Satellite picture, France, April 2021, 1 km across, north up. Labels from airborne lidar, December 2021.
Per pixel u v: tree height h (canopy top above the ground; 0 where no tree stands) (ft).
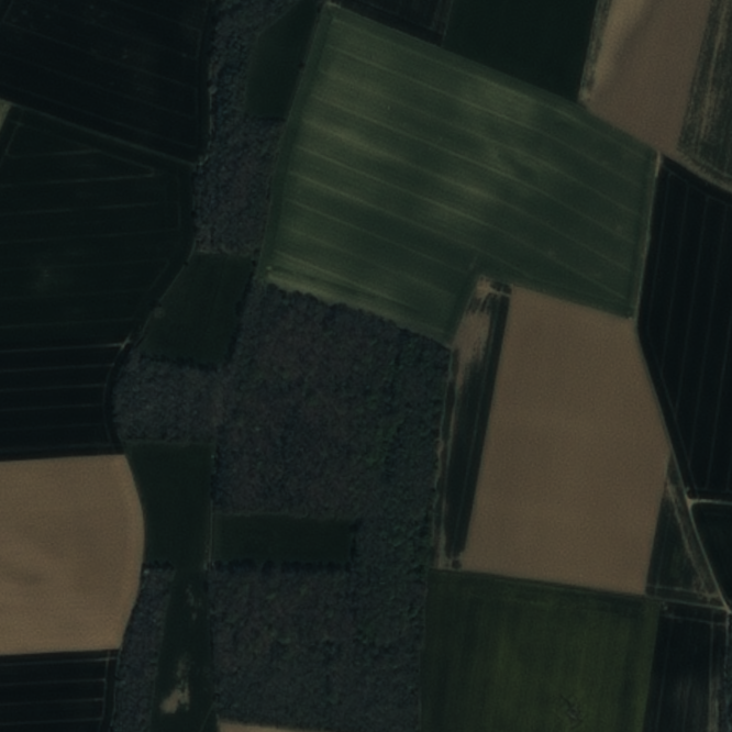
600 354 0
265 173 58
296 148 0
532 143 0
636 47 0
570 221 0
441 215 0
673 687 0
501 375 0
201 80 0
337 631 81
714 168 0
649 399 0
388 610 72
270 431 68
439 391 69
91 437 0
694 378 0
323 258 0
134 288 0
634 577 0
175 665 0
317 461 57
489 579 0
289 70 0
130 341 0
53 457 0
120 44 0
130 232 0
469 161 0
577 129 0
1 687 0
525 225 0
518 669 0
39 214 0
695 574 0
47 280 0
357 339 77
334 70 0
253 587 74
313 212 0
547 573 0
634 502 0
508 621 0
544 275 0
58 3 0
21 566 0
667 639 0
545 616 0
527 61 0
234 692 63
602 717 0
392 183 0
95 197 0
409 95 0
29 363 0
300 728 44
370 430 71
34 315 0
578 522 0
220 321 0
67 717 0
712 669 0
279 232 0
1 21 0
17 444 0
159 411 42
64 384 0
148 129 0
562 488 0
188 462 0
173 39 0
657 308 0
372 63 0
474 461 0
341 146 0
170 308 0
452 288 0
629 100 0
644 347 0
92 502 0
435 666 0
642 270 0
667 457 0
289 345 59
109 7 0
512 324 0
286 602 73
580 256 0
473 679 0
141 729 30
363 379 74
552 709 0
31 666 0
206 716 0
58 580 0
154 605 41
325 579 63
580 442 0
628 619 0
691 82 0
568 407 0
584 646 0
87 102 0
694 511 0
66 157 0
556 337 0
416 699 49
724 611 0
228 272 0
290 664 78
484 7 0
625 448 0
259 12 38
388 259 0
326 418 64
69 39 0
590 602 0
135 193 0
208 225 55
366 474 72
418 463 66
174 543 0
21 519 0
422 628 41
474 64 0
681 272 0
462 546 0
